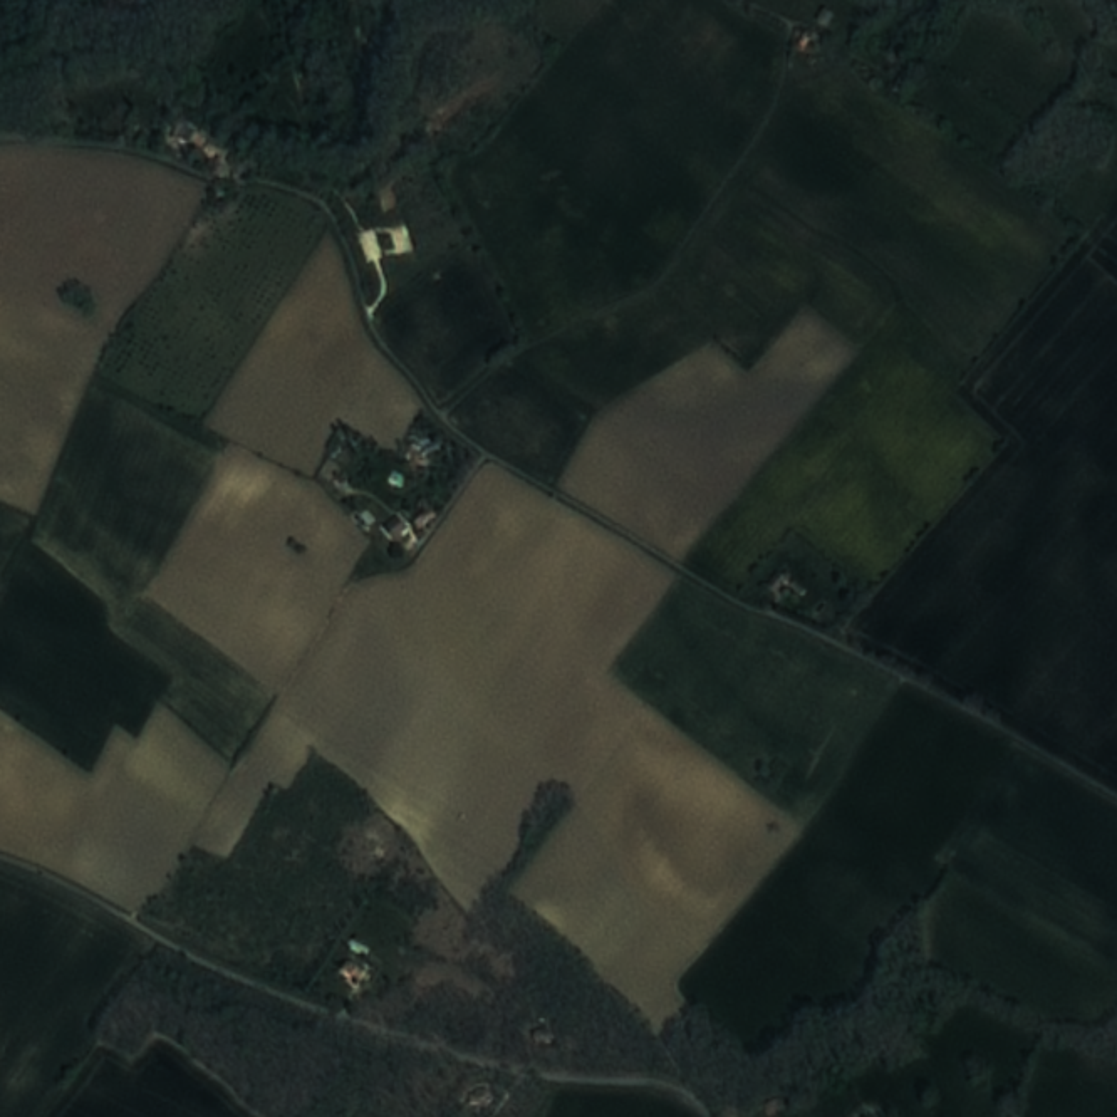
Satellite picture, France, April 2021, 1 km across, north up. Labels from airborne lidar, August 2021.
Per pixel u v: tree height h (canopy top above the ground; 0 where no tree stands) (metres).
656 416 0
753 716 0
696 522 0
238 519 0
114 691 0
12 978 0
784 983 0
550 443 0
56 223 0
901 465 0
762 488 0
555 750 0
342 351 0
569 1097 0
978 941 0
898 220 0
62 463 0
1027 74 0
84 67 21
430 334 0
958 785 0
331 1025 15
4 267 0
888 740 0
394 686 0
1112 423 0
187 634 0
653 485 0
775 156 0
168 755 0
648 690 0
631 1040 18
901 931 14
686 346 0
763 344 0
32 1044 0
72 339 0
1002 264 0
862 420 0
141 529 0
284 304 0
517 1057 12
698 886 0
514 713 0
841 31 0
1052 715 0
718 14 0
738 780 0
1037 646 0
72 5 25
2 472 0
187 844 0
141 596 0
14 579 0
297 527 0
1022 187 11
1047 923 0
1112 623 0
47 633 0
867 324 0
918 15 10
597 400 0
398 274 0
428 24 15
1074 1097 0
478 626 0
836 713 0
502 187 0
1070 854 0
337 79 25
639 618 0
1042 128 17
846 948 0
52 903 0
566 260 0
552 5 0
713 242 0
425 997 8
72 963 0
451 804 0
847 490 0
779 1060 24
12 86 19
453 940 0
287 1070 16
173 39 24
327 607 0
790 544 0
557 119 0
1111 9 17
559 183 0
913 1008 17
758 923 0
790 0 0
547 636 0
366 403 0
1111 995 0
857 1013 20
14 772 0
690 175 0
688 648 0
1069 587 0
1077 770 0
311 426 0
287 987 7
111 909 0
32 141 17
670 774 0
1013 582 0
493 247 0
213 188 6
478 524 0
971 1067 14
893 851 0
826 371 0
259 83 6
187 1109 0
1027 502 0
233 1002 14
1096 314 0
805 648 0
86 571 0
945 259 0
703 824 0
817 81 0
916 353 0
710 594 0
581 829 0
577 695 0
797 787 0
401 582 0
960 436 0
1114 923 0
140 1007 15
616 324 0
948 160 0
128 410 0
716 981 0
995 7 10
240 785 0
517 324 11
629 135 0
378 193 7
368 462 6
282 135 6
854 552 0
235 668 0
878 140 0
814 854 0
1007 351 0
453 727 0
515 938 16
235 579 0
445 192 9
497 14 15
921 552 0
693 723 0
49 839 0
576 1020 19
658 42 0
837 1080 8
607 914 0
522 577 0
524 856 10
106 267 0
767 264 0
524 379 0
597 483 0
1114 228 0
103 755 0
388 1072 17
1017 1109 18
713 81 0
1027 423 0
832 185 0
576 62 0
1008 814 0
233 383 0
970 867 0
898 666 15
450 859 0
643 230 0
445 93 5
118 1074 0
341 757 0
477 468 15
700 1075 21
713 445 0
